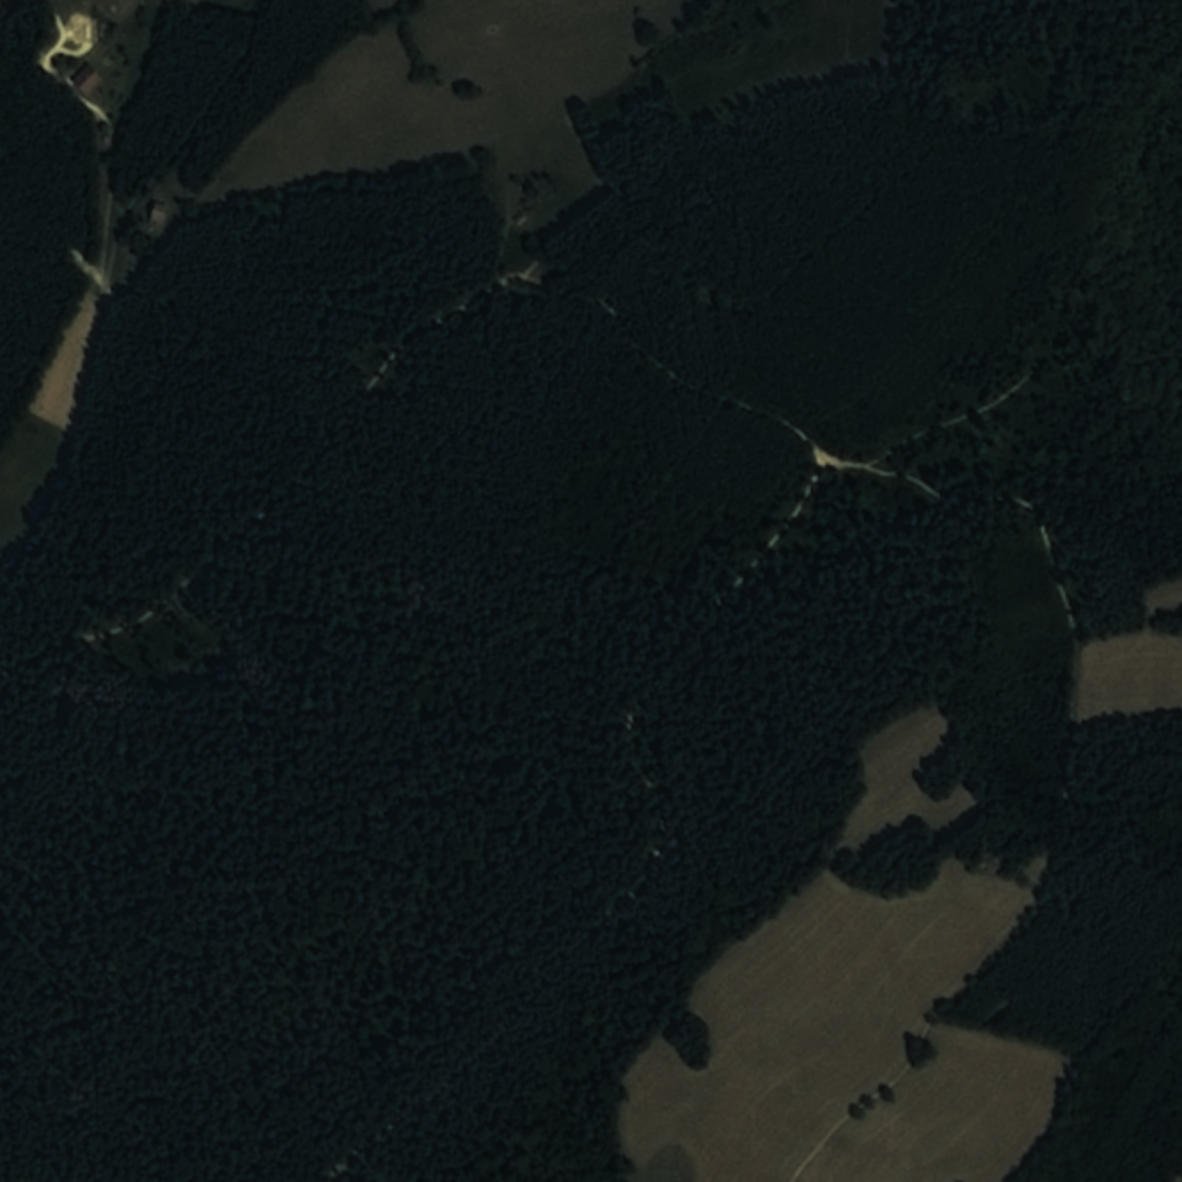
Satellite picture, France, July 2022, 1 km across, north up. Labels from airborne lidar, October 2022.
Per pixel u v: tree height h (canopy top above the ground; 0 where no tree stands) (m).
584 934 33
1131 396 26
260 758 27
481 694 27
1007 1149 0
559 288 18
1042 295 19
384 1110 33
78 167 18
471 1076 33
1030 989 18
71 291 22
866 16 0
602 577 28
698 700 27
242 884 28
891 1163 0
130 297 21
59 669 28
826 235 13
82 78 0
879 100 21
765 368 15
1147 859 19
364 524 24
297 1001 28
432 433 19
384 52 0
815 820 25
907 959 0
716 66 0
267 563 29
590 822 30
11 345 23
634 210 22
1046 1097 0
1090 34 19
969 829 25
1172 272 32
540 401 23
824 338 15
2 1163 27
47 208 21
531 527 26
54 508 30
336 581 28
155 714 34
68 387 0
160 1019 31
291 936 31
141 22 7
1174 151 29
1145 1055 19
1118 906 23
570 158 0
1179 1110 20
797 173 18
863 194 20
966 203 16
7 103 16
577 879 31
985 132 18
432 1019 28
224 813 30
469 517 22
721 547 39
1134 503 21
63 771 37
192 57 24
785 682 24
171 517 33
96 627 36
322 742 30
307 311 23
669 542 18
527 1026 29
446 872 26
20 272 21
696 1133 0
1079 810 21
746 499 17
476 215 24
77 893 39
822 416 13
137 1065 31
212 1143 32
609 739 27
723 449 15
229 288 23
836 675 25
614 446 15
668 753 26
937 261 15
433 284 22
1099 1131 16
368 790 26
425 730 29
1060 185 15
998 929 0
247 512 33
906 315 14
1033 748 9
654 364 16
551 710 32
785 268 19
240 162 0
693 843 30
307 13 18
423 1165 33
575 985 31
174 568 34
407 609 30
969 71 21
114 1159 34
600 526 14
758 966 0
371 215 20
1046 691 7
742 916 19
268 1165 29
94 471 28
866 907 0
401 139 0
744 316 17
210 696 33
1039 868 0
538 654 32
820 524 7
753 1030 0
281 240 22
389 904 31
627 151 28
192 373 28
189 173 15
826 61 0
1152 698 0
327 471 28
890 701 19
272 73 17
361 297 22
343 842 29
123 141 22
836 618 23
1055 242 11
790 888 20
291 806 28
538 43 0
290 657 33
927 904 0
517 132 0
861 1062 0
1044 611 0
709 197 16
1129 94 20
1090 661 0
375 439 24
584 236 21
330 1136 33
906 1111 0
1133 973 19
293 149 0
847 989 0
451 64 0
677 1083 0
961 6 29
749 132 24
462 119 0
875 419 12
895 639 7
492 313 24
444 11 0
